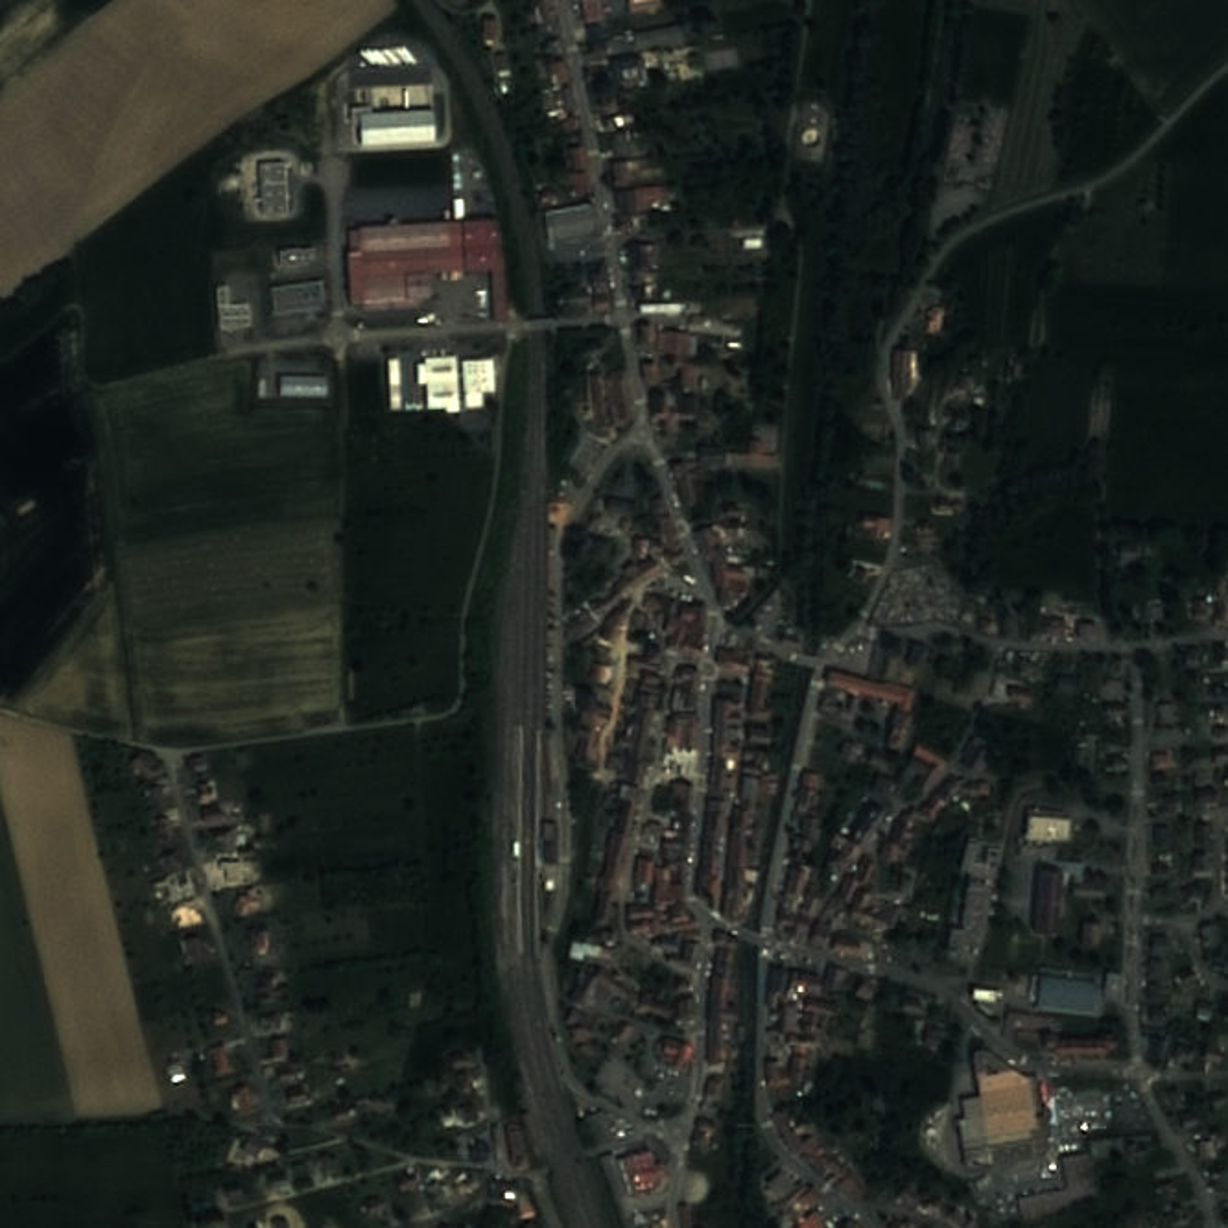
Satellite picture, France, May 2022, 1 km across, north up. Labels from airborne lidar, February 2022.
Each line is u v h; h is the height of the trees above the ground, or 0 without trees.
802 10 11
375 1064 0
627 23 0
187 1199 7
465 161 0
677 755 0
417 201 0
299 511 0
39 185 0
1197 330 10
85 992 0
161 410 0
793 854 8
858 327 0
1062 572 0
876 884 0
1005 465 7
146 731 0
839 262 17
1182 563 0
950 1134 0
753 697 0
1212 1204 0
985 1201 0
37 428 0
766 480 0
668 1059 0
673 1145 0
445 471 0
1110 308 0
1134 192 0
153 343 0
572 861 0
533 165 10
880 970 0
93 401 0
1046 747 0
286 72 0
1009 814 0
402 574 0
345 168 0
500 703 0
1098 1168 0
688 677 0
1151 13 0
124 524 0
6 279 0
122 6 0
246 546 0
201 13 0
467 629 7
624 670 0
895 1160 13
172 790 0
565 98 0
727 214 0
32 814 0
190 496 0
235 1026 0
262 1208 0
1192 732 0
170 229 0
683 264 0
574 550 20
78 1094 0
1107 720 0
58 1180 0
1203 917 0
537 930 0
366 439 0
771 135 15
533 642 0
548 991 0
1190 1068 6
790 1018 0
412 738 0
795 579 13
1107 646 0
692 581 0
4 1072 0
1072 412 0
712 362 14
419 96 0
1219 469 0
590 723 0
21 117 0
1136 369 0
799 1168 0
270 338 0
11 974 0
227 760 0
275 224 0
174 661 0
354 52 0
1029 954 0
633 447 0
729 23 0
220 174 0
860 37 18
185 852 0
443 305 0
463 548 0
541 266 0
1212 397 0
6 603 0
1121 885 0
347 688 0
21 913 0
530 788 0
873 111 20
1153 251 0
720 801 0
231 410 0
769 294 10
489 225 0
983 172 0
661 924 0
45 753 0
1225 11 0
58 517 0
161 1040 0
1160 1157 0
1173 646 0
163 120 0
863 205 21
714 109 15
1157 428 0
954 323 10
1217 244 0
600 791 0
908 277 6
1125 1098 0
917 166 9
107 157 0
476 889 8
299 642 0
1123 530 15
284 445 0
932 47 9
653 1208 0
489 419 0
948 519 0
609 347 0
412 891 7
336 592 0
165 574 0
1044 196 0
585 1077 0
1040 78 0
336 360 0
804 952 0
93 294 0
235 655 0
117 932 0
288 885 0
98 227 0
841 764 0
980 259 0
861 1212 0
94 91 0
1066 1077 0
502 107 7
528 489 0
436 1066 0
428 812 0
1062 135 9
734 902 0
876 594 0
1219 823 0
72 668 0
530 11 6
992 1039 0
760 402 10
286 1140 10
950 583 0
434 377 0
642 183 0
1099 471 15
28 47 0
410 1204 0
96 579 0
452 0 0
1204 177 0
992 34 0
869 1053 0
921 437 0
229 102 0
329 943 0
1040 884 0
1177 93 0
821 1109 9
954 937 0
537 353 0
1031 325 0
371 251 0
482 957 7
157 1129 6
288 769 0
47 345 0
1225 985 0
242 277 0
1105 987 0
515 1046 0
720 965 0
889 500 0
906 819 0
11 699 0
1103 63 0
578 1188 0
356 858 0
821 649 0
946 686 0
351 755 0
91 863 0
